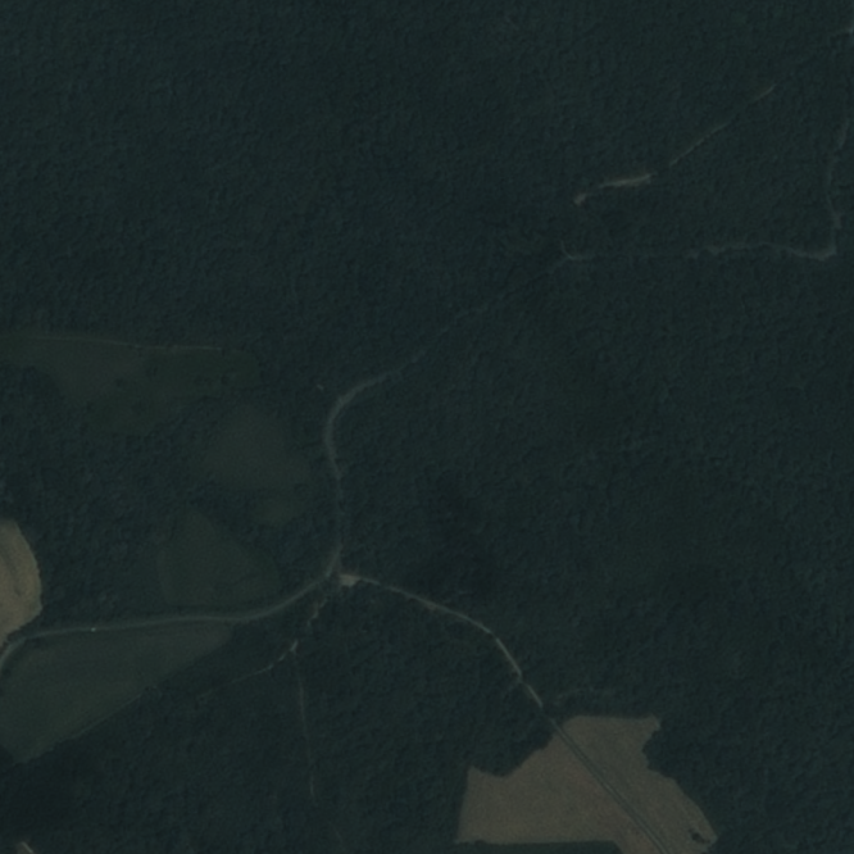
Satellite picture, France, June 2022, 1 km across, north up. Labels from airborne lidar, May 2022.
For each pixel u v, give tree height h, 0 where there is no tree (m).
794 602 12
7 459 17
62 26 20
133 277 18
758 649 9
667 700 9
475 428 8
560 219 22
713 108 17
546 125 6
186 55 16
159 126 18
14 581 0
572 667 10
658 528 8
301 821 21
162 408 0
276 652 10
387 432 15
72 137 14
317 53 16
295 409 6
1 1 18
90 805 22
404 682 23
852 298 19
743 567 8
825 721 21
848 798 24
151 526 13
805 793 15
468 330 17
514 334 7
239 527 12
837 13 17
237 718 7
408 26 12
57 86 28
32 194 21
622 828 0
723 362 18
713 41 23
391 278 25
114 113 16
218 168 8
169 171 19
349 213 32
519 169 7
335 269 18
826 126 18
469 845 7
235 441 0
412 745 11
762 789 22
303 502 8
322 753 6
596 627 7
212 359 0
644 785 0
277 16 15
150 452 15
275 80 20
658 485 9
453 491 18
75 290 10
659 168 12
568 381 8
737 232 17
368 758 16
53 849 16
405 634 21
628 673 14
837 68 20
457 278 16
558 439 9
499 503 23
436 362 17
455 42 8
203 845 8
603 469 17
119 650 0
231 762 6
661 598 8
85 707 0
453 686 6
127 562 7
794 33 19
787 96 19
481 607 12
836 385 24
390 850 11
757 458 25
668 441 18
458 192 22
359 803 6
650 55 23
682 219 9
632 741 0
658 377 12
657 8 24
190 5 25
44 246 18
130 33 15
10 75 17
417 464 10
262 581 0
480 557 16
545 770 0
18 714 0
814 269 18
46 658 0
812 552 26
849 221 15
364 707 15
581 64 17
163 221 17
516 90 7
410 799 24
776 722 18
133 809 23
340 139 11
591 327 11
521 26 21
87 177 21
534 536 20
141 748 6
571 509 14
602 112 13
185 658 0
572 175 8
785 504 21
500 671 13
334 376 11
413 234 15
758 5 20
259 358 10
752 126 19
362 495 13
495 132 15
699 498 7
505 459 9
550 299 21
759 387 21
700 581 11
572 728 0
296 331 19
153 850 22
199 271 14
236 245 14
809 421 22
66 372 0
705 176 7
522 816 0
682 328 21
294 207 26
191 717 17
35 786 15
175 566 0
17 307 19
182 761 16
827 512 26
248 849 18
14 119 16
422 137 14
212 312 13
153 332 10
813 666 17
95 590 11
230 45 19
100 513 17
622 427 8
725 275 19
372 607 22
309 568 22
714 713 16
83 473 11
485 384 11
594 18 22
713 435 24
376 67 25
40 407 19
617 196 10
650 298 20
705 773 22
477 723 6
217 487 14
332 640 21
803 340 18
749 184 7
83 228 19
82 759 14
